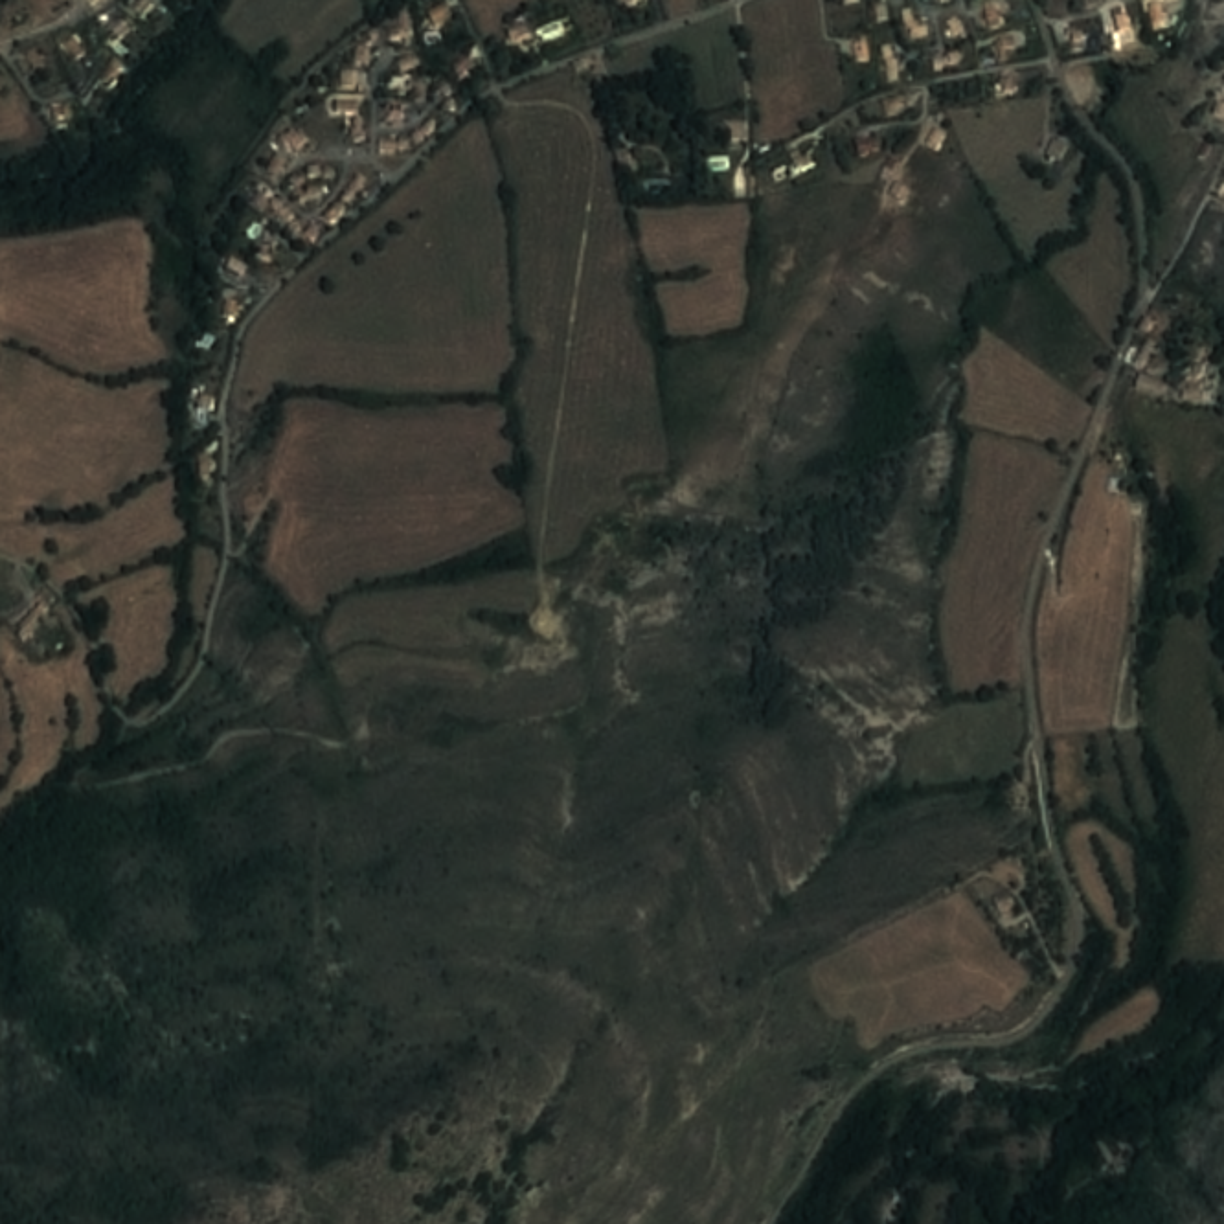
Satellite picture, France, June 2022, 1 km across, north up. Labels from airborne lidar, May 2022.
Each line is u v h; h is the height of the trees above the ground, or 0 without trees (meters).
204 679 0
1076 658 0
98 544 0
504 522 0
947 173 0
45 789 11
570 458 0
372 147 0
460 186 0
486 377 0
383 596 0
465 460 0
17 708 7
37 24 0
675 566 0
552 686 0
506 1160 9
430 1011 0
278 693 0
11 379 0
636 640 0
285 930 0
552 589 0
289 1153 0
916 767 0
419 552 0
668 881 0
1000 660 0
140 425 0
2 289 0
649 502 0
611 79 15
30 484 0
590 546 0
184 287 9
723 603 7
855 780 0
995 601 0
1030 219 0
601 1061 0
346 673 0
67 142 13
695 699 0
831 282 0
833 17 0
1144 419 0
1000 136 0
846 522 9
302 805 0
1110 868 14
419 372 0
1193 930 0
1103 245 0
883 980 0
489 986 0
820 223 0
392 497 0
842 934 0
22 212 9
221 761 0
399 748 0
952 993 0
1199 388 0
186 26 15
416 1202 8
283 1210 0
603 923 0
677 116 9
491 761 0
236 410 0
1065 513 0
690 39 0
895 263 0
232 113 0
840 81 0
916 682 0
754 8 0
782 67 0
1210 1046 8
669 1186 0
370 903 0
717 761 0
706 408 0
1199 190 0
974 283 8
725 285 0
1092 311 0
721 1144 0
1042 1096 15
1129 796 10
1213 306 7
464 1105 0
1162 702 0
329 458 0
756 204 8
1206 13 0
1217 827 0
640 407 0
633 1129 0
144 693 8
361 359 0
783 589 9
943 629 0
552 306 0
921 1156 7
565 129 0
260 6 0
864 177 0
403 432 0
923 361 0
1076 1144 17
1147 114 0
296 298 0
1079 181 12
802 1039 0
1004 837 0
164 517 0
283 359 0
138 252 0
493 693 0
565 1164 0
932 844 0
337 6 0
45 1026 6
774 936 0
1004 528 0
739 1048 0
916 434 6
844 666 0
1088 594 0
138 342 0
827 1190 16
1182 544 13
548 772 0
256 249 7
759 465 7
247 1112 0
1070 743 0
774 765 0
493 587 0
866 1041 0
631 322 0
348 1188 0
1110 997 10
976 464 0
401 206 0
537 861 0
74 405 0
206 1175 0
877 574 0
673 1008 0
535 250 0
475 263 0
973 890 0
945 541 8
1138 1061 10
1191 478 0
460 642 0
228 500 0
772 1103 0
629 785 0
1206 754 0
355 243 0
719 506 0
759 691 12
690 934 0
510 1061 0
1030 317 0
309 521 0
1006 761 0
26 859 7
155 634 0
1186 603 17
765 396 0
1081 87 0
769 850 0
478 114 13
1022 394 0
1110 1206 8
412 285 0
